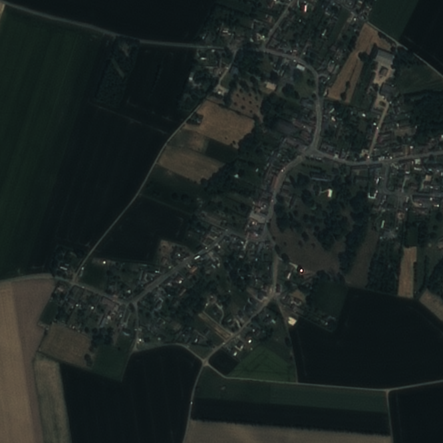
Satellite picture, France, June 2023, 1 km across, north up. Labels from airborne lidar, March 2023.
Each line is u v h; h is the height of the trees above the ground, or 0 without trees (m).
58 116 0
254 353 0
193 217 11
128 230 0
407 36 0
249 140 18
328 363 0
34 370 0
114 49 13
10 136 0
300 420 0
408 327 0
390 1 0
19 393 0
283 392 0
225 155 0
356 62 0
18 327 0
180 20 0
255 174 0
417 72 0
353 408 0
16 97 0
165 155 0
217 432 0
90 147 0
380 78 0
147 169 0
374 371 0
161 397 0
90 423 0
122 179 0
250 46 16
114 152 0
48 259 0
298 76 25
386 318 0
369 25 0
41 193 0
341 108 18
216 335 0
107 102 12
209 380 0
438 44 0
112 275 8
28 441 0
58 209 0
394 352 0
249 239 0
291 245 0
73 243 0
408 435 0
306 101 0
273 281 0
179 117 0
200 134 0
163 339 10
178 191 0
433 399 0
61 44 0
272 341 0
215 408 0
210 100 0
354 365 0
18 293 0
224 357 0
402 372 0
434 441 0
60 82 0
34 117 0
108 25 0
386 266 14
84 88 0
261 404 0
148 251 0
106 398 0
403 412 0
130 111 0
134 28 0
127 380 0
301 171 0
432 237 14
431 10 0
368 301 0
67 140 0
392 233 0
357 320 0
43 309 0
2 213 0
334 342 0
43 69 0
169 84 0
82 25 0
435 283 15
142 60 0
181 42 0
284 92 12
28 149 0
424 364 0
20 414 0
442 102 16
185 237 0
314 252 0
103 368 0
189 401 0
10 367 0
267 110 10
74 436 0
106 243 0
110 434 0
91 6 0
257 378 0
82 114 0
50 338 0
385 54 0
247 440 0
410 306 0
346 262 22
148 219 0
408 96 9
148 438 0
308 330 0
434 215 0
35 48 0
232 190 13
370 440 0
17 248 0
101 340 11
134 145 0
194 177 0
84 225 0
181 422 0
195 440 0
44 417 0
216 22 6
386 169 0
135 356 0
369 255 0
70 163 0
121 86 16
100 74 0
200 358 0
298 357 0
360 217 23
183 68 0
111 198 0
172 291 14
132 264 0
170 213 0
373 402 0
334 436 0
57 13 0
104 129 0
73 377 0
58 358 0
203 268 10
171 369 0
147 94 0
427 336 0
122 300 0
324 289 0
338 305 0
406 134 6
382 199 0
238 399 0
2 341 0
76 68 0
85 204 0
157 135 0
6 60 0
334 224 25
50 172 0
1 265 0
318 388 0
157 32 0
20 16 0
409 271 0
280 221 19
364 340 0
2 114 0
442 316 0
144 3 0
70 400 0
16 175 0
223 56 8
